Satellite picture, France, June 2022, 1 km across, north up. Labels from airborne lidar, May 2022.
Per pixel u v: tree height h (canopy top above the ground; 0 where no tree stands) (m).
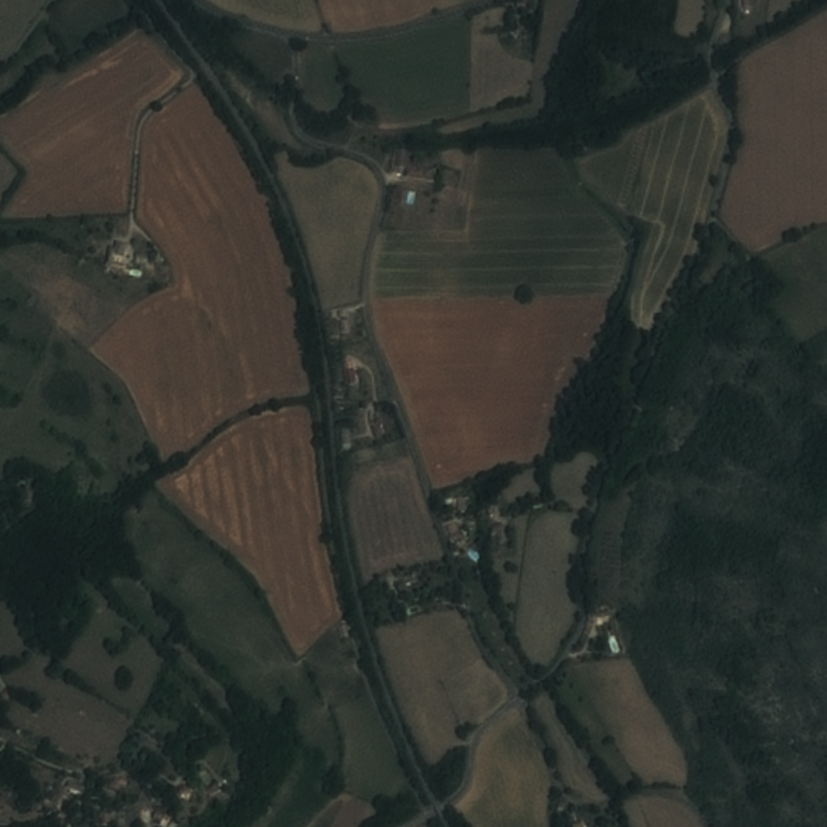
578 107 12
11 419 0
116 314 0
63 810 11
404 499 0
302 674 0
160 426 0
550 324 0
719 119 0
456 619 0
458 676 0
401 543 0
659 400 13
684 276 11
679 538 9
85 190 0
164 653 15
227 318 0
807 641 0
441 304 0
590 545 10
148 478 14
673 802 0
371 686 8
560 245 0
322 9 0
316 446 15
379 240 0
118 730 0
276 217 12
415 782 13
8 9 0
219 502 0
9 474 13
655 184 0
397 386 0
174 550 0
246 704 22
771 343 11
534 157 0
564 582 0
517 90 0
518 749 0
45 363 0
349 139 0
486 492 15
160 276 0
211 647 0
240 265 0
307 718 0
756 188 0
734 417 15
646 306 0
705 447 7
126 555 20
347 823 0
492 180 0
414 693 0
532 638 0
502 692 0
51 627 17
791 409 12
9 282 0
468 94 0
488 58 0
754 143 0
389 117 0
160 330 0
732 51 10
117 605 18
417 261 0
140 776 16
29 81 10
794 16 17
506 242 0
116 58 0
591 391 24
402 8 0
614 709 0
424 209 0
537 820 0
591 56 23
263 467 0
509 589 0
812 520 6
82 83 0
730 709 6
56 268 0
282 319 0
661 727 0
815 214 0
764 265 14
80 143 0
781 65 0
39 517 13
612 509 0
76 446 8
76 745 0
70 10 0
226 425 8
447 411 0
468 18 6
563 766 0
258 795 20
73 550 18
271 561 0
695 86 11
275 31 0
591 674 0
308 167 8
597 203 0
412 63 0
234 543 0
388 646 0
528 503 13
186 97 0
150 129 0
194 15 16
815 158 0
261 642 0
